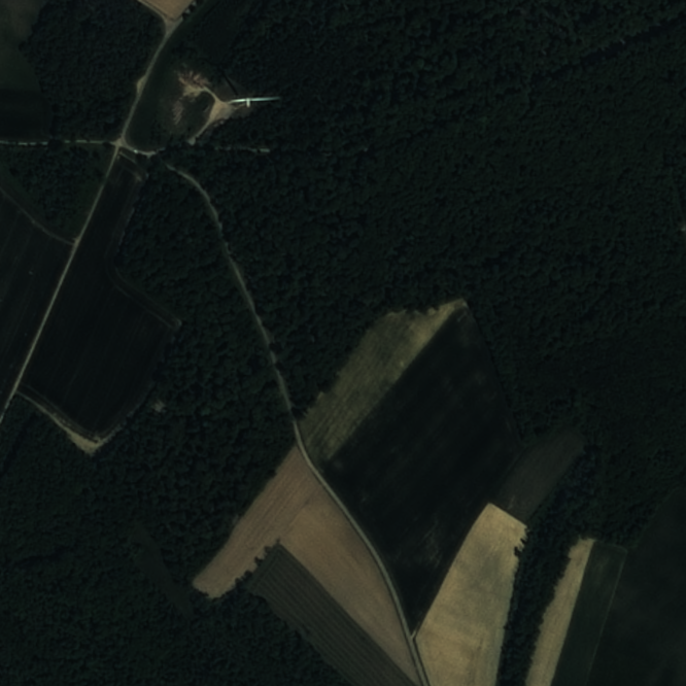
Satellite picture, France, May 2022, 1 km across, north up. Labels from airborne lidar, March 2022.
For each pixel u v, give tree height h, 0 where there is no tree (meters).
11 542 22
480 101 25
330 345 25
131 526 19
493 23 31
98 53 19
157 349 0
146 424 21
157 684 15
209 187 27
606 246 21
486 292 28
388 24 23
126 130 0
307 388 26
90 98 13
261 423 30
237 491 29
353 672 0
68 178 22
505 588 0
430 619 0
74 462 21
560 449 0
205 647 7
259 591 0
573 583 0
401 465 0
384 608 0
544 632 0
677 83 23
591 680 0
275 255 28
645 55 28
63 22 17
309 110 16
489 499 0
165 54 0
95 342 0
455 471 0
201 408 34
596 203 24
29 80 0
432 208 28
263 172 23
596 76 31
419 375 0
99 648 22
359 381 0
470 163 27
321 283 28
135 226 16
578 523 31
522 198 21
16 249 0
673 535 0
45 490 19
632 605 0
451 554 0
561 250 18
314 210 27
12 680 25
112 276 0
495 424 0
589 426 17
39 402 0
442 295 19
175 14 0
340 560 0
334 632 0
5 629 21
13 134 0
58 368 0
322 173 29
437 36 28
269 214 25
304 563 0
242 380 30
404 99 32
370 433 0
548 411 26
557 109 28
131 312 0
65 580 21
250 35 14
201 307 27
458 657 0
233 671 18
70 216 15
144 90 0
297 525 0
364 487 0
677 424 17
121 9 16
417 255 29
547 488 0
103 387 0
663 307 23
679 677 0
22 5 0
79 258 0
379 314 9
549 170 25
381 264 31
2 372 0
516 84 22
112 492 26
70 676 22
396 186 26
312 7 18
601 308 23
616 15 29
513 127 29
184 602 0
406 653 0
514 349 14
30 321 0
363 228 30
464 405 0
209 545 17
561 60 26
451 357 0
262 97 14
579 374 18
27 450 23
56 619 21
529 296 27
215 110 0
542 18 29
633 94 30
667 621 0
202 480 30
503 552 0
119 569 25
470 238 19
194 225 29
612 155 31
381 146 27
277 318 25
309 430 0
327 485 0
